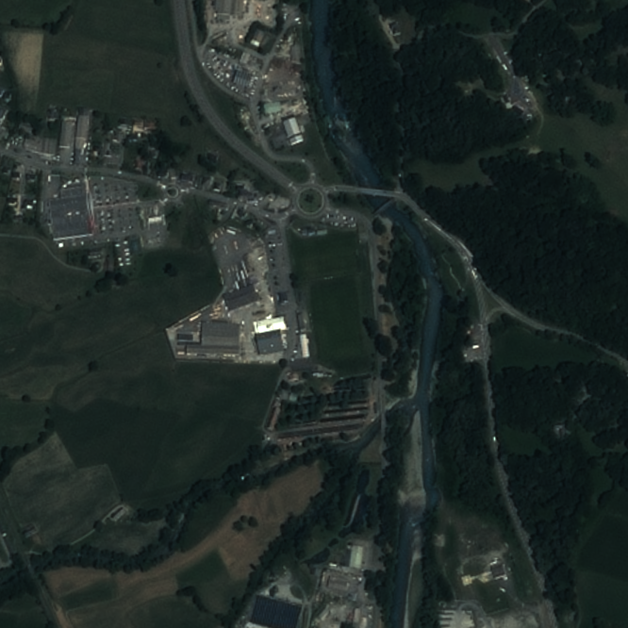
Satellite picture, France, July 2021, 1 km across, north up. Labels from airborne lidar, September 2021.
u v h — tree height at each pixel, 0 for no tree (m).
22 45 0
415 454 0
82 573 0
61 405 0
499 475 0
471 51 16
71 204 0
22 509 0
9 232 0
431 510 10
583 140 0
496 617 0
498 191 23
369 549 0
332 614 0
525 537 0
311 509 7
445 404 21
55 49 0
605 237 20
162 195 0
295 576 0
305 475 0
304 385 7
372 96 18
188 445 0
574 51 18
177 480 0
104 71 0
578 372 27
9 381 0
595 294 22
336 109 0
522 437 0
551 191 23
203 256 0
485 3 22
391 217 0
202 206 0
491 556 0
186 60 0
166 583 0
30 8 0
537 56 8
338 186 0
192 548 0
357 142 0
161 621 0
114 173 0
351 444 0
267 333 0
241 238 0
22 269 0
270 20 0
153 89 0
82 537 0
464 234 16
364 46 26
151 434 0
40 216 0
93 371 12
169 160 12
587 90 14
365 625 0
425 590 8
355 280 0
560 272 18
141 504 0
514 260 19
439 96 22
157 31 0
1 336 0
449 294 7
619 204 0
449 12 12
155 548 14
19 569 18
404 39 0
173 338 0
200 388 0
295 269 0
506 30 13
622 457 12
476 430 27
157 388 0
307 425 0
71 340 0
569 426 17
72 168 0
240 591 0
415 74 10
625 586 0
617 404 20
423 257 0
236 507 0
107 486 0
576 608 13
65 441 0
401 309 6
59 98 0
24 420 0
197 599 12
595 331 19
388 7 16
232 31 0
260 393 0
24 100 0
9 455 29
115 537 0
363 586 0
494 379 18
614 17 22
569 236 18
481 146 17
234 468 15
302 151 0
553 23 19
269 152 0
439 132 15
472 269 0
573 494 38
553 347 0
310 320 0
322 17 0
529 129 21
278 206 0
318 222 0
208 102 0
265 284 0
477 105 19
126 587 0
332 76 0
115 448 0
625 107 0
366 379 0
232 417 0
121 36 0
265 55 23
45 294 0
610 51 14
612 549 0
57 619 0
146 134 6
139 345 0
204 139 0
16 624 0
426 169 0
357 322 0
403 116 18
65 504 0
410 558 0
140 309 0
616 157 0
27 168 0
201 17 13
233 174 11
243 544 0
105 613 0
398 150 16
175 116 0
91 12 0
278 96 0
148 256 0
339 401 0
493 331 19
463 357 18
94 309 0
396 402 0
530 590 0
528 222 16
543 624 0
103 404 0
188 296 0
